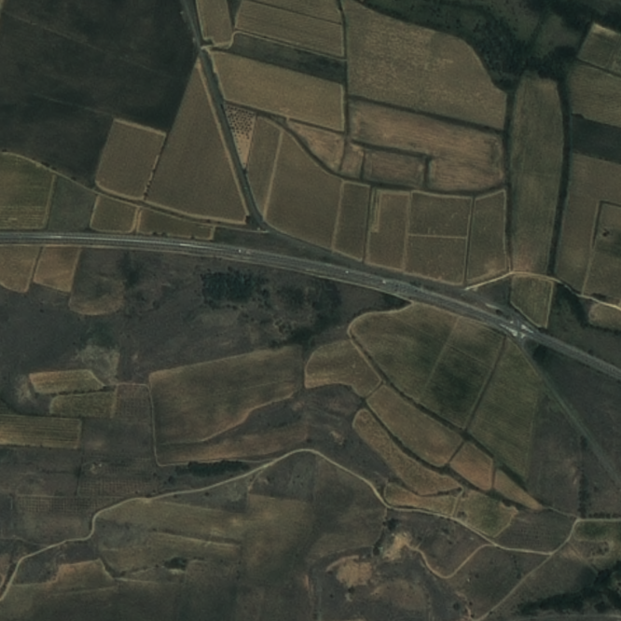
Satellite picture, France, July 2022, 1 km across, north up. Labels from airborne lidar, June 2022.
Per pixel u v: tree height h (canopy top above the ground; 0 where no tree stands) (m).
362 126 0
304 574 0
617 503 0
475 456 0
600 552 5
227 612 0
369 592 0
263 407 0
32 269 0
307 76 0
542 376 0
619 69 0
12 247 0
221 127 0
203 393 0
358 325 0
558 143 0
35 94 0
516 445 0
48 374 0
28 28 0
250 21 0
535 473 0
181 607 0
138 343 0
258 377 0
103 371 0
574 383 0
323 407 0
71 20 0
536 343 0
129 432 0
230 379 0
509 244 6
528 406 0
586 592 11
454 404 0
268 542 0
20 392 0
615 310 0
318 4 0
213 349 0
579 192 0
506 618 0
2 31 0
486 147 0
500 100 0
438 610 0
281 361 0
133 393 0
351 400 0
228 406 0
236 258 0
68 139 0
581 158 0
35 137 0
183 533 0
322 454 0
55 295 0
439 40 0
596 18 10
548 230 0
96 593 0
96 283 0
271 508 0
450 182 0
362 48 0
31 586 0
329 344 0
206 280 9
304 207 0
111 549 0
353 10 0
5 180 0
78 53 0
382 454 0
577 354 0
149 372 0
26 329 0
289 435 0
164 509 0
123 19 0
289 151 0
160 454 0
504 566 0
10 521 0
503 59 8
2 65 0
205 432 0
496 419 0
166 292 0
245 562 0
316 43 0
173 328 0
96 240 0
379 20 0
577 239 0
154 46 0
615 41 0
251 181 0
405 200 0
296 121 0
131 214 0
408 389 0
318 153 0
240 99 0
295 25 0
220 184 0
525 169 0
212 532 0
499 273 0
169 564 6
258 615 0
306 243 0
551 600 12
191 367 0
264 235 0
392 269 0
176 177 0
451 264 0
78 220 0
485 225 0
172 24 0
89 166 0
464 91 0
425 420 0
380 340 0
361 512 0
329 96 0
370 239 0
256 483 0
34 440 0
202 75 0
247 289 12
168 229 0
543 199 0
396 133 0
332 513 0
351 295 0
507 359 0
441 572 0
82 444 0
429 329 0
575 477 0
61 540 0
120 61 0
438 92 0
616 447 0
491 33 12
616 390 0
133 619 0
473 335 0
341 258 0
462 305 0
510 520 0
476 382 0
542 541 0
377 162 0
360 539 0
